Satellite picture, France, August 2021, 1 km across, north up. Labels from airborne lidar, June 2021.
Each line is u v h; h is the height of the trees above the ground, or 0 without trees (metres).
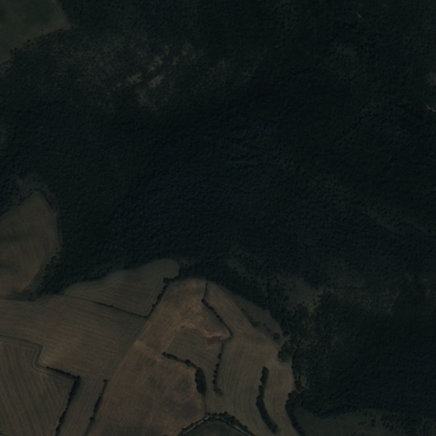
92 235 18
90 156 6
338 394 11
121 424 0
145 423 0
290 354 5
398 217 7
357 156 15
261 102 21
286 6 9
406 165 18
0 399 0
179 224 11
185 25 9
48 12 0
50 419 0
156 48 7
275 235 10
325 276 7
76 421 0
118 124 17
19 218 0
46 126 11
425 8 6
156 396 0
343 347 6
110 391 0
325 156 13
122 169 12
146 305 0
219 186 11
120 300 0
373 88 10
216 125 16
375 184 20
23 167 6
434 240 9
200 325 0
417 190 19
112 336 0
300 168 18
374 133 16
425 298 11
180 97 10
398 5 10
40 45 7
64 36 7
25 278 0
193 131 16
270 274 11
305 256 6
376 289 6
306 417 0
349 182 14
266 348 0
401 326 19
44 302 0
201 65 9
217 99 16
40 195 0
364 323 13
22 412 0
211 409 0
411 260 13
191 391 0
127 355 0
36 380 0
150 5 12
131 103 12
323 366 9
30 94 10
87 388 0
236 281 14
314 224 8
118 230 11
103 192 15
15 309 0
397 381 7
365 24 15
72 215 10
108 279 0
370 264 5
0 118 10
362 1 6
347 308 10
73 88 8
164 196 8
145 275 0
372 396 7
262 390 13
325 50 8
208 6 12
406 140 16
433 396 8
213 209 13
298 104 18
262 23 14
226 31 13
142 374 0
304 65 12
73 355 0
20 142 10
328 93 21
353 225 11
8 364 0
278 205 11
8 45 0
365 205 7
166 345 0
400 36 9
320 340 6
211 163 15
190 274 8
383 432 0
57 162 9
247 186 7
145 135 19
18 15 0
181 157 14
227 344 0
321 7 12
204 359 0
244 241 8
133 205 19
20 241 0
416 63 12
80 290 0
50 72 11
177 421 0
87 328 0
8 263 0
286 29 13
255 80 21
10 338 0
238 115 20
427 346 9
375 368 14
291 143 15
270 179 7
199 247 8
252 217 7
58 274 8
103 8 9
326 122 20
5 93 8
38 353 0
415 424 9
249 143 7
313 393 9
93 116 12
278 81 21
